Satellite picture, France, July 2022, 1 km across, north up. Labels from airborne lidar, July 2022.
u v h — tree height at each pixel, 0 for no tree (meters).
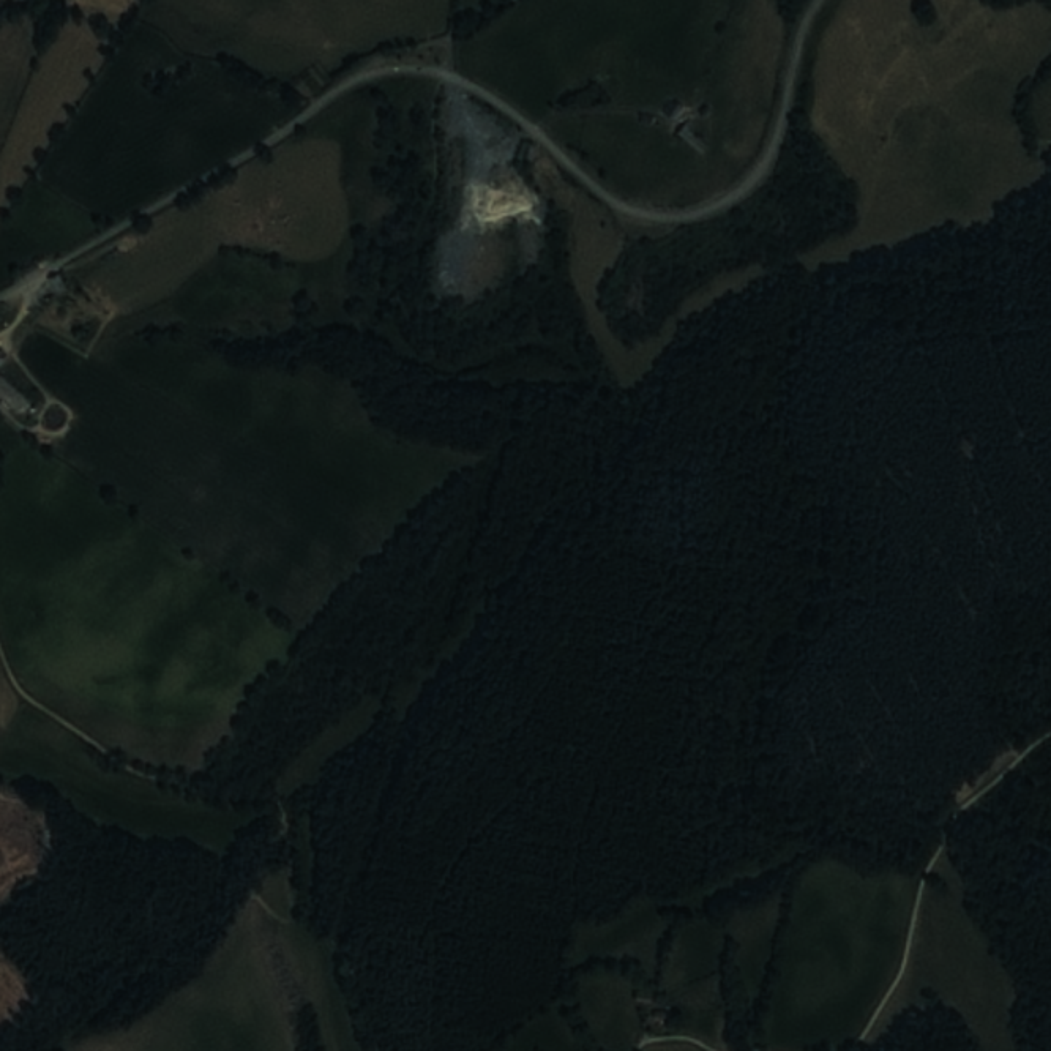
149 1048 0
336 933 6
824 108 0
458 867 11
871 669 24
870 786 20
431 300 17
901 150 0
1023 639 20
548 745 10
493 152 0
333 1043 0
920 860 9
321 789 7
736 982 22
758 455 22
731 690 26
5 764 0
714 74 0
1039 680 21
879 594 18
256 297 0
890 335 20
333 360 21
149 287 0
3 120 0
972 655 19
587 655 12
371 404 19
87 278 0
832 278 24
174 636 0
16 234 0
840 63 0
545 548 26
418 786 14
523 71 0
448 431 22
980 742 21
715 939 0
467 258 0
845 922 0
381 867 8
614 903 13
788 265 9
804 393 15
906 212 0
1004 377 17
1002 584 18
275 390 0
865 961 0
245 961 0
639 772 11
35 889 14
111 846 24
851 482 19
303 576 0
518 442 14
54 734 0
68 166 0
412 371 22
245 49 0
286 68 0
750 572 13
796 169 8
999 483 22
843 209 25
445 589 8
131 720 0
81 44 0
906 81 0
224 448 0
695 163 0
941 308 18
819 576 7
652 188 0
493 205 0
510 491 19
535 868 11
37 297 0
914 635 19
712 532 17
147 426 0
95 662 0
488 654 27
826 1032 0
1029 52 0
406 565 17
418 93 0
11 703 0
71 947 15
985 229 19
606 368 7
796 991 0
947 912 0
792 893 12
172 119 0
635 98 0
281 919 0
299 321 17
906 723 23
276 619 17
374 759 23
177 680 0
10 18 18
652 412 21
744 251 12
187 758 0
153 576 0
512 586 22
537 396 21
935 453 23
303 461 0
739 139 0
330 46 0
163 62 0
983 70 0
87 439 0
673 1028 16
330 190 0
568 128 0
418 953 10
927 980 0
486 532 18
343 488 0
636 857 6
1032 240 21
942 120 0
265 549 0
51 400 0
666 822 7
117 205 0
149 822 0
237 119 0
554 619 19
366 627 15
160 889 20
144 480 0
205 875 18
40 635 0
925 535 19
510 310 9
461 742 20
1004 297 28
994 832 27
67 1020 22
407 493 0
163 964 18
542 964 11
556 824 11
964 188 0
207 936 18
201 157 0
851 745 21
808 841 10
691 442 16
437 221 6
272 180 0
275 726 12
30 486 0
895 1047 23
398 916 9
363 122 0
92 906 13
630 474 20
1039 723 20
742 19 0
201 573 0
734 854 15
